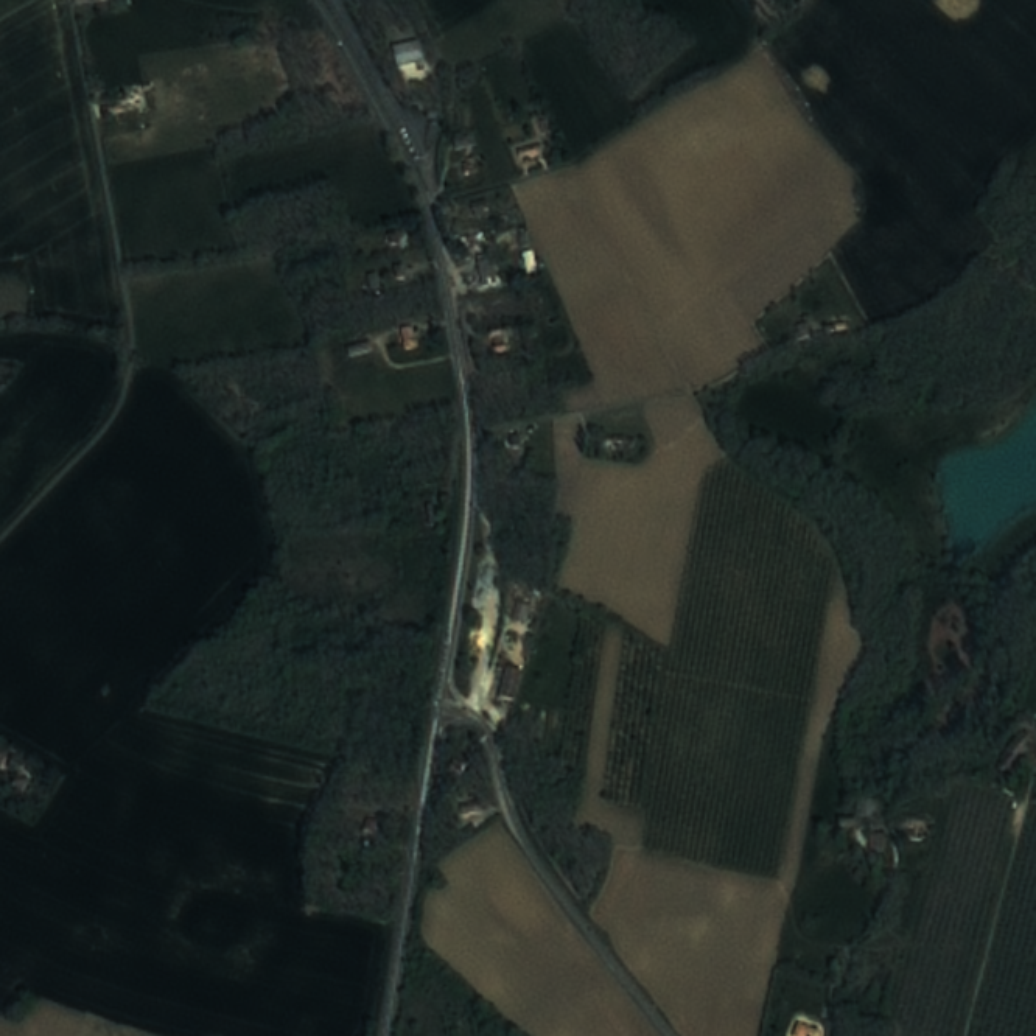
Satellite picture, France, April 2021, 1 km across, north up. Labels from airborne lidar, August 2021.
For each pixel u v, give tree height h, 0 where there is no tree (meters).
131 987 0
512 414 18
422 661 25
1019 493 0
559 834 14
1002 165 11
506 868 0
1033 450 0
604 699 0
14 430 0
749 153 0
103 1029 0
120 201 0
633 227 0
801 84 0
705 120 0
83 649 0
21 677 0
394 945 0
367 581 0
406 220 13
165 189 0
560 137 9
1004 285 20
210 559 0
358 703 17
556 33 0
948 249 0
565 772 14
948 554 10
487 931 0
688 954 0
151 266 14
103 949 0
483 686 0
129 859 0
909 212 0
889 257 0
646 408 0
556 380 12
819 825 13
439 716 0
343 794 22
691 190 0
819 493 20
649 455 7
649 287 0
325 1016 0
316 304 19
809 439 0
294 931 0
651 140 0
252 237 16
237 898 0
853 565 8
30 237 0
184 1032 0
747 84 0
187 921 0
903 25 0
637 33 15
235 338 0
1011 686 17
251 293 0
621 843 0
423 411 14
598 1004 0
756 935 0
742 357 0
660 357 0
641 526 0
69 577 0
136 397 0
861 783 12
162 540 0
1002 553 0
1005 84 0
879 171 0
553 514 17
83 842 0
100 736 0
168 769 0
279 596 10
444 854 16
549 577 19
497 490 18
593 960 0
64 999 0
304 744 10
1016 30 0
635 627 0
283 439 14
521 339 12
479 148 0
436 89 18
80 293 0
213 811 0
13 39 0
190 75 0
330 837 24
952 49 0
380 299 20
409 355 0
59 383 0
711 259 0
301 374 16
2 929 0
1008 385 12
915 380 20
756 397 0
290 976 0
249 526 0
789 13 11
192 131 0
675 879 0
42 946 0
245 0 0
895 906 18
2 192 0
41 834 0
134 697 0
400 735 19
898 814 12
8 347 0
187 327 0
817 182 0
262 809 0
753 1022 0
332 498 8
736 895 0
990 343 27
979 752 20
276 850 0
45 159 0
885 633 19
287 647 12
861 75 0
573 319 0
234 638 9
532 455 11
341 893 20
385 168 0
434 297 13
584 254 0
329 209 23
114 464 0
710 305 0
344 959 0
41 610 0
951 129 0
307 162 0
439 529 10
